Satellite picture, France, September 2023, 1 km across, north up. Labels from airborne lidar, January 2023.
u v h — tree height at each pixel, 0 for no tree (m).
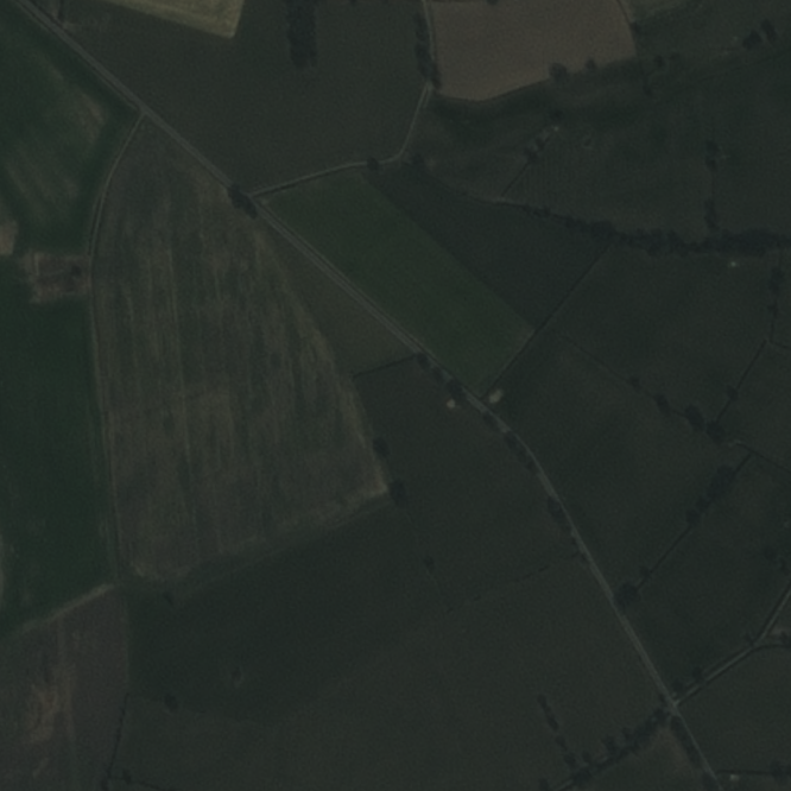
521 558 0
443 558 0
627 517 0
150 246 0
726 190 0
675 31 0
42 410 0
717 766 0
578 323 0
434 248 0
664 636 0
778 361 0
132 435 0
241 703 0
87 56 0
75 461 0
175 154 0
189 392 0
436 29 0
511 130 0
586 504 0
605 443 0
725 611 0
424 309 0
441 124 0
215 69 0
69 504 0
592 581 0
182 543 0
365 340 0
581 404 0
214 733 0
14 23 0
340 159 0
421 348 0
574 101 0
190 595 0
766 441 0
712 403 0
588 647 0
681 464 0
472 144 0
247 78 0
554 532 0
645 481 0
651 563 0
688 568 0
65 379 0
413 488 0
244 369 0
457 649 0
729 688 0
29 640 0
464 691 0
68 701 0
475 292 0
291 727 0
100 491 0
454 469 0
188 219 0
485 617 0
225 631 0
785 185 0
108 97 0
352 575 0
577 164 0
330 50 0
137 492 0
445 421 0
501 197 0
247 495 0
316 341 0
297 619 0
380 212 0
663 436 0
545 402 0
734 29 0
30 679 0
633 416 0
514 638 0
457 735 0
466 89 0
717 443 12
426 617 0
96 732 0
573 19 0
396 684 0
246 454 0
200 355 0
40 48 0
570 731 0
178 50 0
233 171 0
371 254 0
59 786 0
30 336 0
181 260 0
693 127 0
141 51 0
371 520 0
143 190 0
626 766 0
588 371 0
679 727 16
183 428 0
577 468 0
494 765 0
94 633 0
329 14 0
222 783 0
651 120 0
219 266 0
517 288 0
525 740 0
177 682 0
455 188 0
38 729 0
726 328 0
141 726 0
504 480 0
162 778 0
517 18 0
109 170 0
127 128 0
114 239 0
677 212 0
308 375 0
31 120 0
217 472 0
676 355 0
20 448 0
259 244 0
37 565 0
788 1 0
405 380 0
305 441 0
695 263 0
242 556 0
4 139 0
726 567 0
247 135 0
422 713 0
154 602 0
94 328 0
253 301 0
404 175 0
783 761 0
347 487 0
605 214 0
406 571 0
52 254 0
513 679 0
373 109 0
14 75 0
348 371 0
